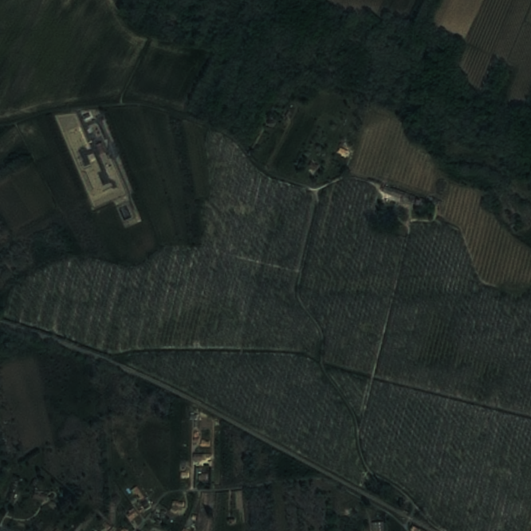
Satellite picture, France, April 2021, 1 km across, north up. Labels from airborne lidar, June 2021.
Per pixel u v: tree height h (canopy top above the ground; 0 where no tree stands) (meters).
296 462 6
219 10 8
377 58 20
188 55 0
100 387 6
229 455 6
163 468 0
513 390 14
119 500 12
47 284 13
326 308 14
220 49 20
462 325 14
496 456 13
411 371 13
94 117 0
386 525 19
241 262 12
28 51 0
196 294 14
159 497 0
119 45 0
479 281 11
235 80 20
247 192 17
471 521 15
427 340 7
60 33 0
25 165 13
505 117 17
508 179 20
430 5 14
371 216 16
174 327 9
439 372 13
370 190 14
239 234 16
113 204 0
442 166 9
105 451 9
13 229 0
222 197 12
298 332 15
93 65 0
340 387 9
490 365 9
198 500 0
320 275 11
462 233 11
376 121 0
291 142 0
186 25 22
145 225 0
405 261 13
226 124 20
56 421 0
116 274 13
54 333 14
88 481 0
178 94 0
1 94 0
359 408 11
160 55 0
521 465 7
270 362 14
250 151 9
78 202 0
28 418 0
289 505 10
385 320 10
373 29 16
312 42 20
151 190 0
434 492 15
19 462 9
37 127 0
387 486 20
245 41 21
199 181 0
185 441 0
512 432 14
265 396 14
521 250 0
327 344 14
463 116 26
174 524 0
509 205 14
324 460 14
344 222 13
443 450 16
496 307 16
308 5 21
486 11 0
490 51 0
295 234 17
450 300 14
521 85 0
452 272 16
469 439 14
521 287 0
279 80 21
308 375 15
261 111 18
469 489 14
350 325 15
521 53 0
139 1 20
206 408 0
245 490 8
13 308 10
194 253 11
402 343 12
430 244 15
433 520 11
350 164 0
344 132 0
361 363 11
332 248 12
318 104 0
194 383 12
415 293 9
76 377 0
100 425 16
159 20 17
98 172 0
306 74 23
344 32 16
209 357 13
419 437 17
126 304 13
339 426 16
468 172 22
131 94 0
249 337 12
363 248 16
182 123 6
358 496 0
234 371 15
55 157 0
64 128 0
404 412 16
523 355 16
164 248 9
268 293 16
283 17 19
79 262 10
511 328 16
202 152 0
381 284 11
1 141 0
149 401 13
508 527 13
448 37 19
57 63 0
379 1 0
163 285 15
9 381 0
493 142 25
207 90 18
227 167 9
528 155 25
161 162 0
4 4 0
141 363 12
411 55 24
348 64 12
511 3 0
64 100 0
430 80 22
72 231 0
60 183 0
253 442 14
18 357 7
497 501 12
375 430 16
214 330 11
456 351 7
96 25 0
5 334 8
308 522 13
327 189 6
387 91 24
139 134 0
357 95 16
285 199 15
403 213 18
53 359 6
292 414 16
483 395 12
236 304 14
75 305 15
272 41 17
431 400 13
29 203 0
